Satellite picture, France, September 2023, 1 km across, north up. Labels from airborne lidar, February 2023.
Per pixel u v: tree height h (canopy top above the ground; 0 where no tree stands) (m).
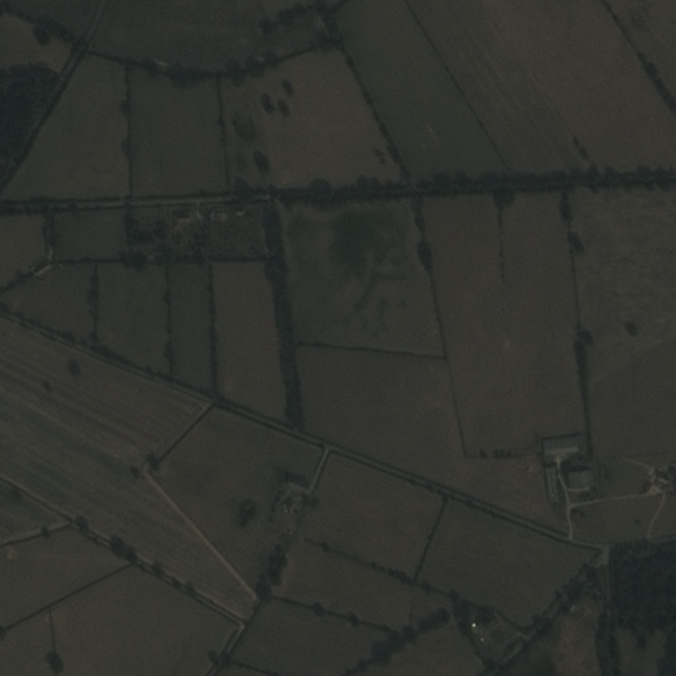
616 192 0
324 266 0
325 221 0
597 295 0
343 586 0
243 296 0
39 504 0
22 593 0
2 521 0
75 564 0
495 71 0
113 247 0
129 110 13
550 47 0
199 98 0
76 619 0
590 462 0
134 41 0
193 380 0
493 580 0
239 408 7
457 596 11
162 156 0
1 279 0
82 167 0
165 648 0
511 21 0
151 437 0
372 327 0
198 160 0
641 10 0
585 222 0
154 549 0
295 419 13
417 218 8
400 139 0
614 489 0
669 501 0
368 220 0
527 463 0
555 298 0
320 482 0
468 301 0
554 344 0
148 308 0
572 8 0
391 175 0
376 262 0
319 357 0
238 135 0
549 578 0
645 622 14
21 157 10
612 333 0
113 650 0
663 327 0
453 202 0
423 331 0
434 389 0
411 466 0
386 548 0
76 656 0
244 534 0
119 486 0
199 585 0
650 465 0
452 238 0
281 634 0
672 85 0
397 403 0
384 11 0
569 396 0
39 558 0
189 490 0
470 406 0
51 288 0
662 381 0
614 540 0
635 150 0
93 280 9
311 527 0
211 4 0
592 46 0
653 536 0
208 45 0
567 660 0
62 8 0
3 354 0
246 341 0
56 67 0
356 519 0
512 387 0
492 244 0
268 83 0
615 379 0
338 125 0
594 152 0
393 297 0
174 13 0
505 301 0
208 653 0
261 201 6
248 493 0
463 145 0
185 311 0
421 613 0
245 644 0
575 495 0
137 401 0
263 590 16
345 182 0
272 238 17
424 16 0
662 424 0
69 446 0
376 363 0
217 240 0
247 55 0
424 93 0
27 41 0
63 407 0
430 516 0
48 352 0
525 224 0
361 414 0
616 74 0
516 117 0
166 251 15
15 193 0
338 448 0
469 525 0
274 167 0
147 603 0
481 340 0
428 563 0
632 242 0
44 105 10
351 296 0
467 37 0
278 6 0
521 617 0
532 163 0
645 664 0
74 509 0
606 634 12
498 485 0
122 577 0
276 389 0
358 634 0
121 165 0
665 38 0
